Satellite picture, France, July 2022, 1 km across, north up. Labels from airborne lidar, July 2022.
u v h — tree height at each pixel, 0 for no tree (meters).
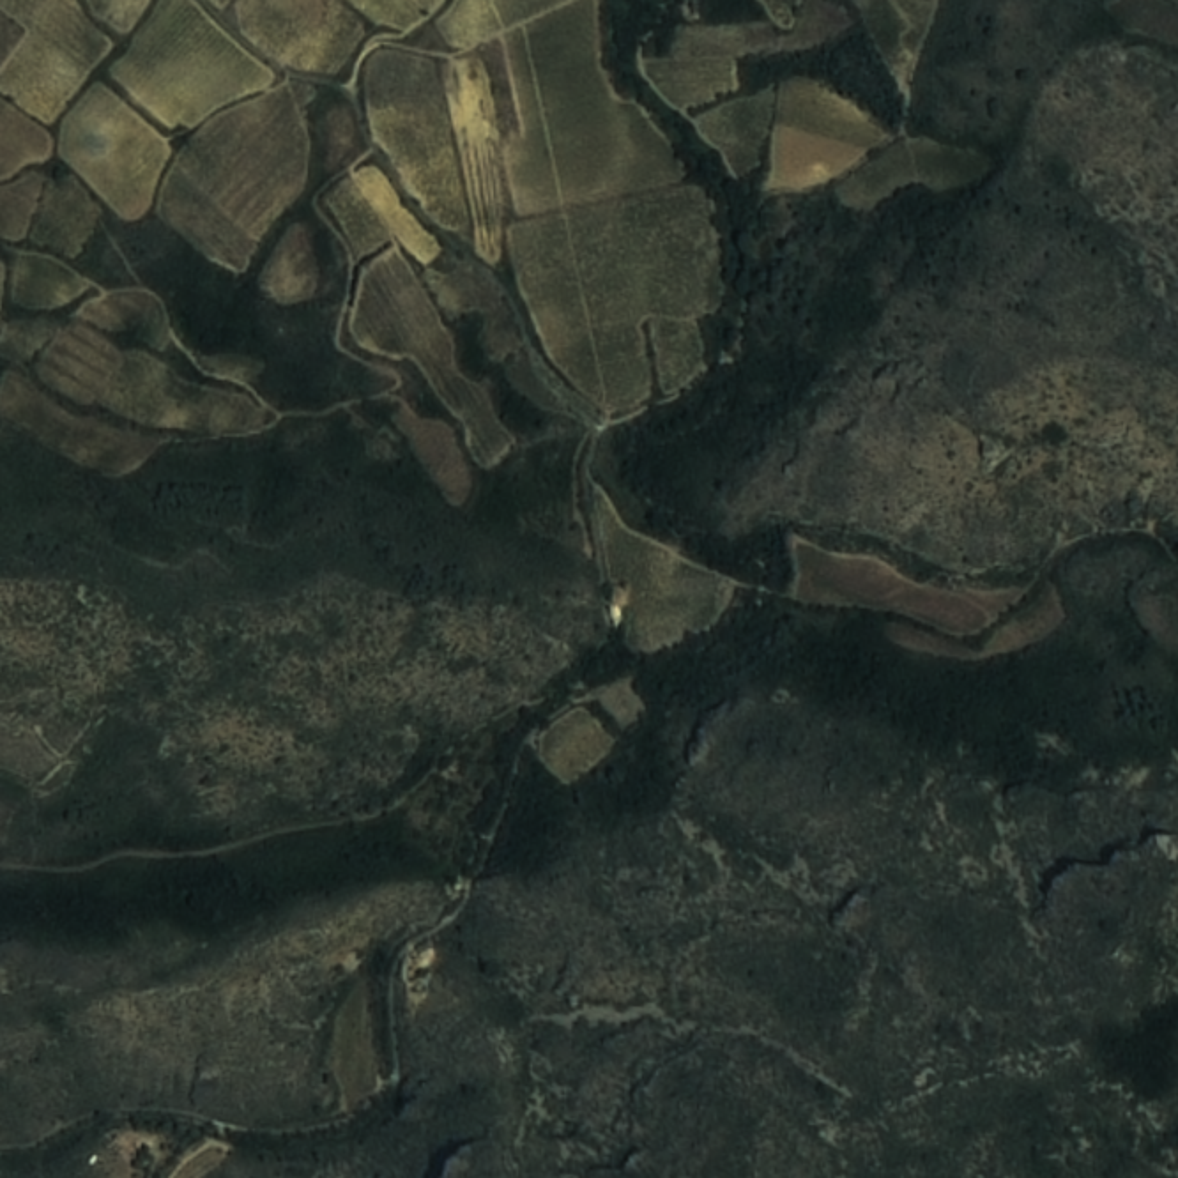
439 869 8
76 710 0
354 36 0
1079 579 0
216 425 0
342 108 0
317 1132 7
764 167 7
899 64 0
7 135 0
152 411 0
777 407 9
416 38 0
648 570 0
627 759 7
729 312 8
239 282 7
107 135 0
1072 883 0
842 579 0
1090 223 10
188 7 0
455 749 7
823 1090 8
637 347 0
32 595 0
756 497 0
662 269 0
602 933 0
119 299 0
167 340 0
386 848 9
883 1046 0
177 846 7
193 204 0
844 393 0
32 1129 0
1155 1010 7
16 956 0
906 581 0
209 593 0
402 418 0
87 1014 0
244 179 0
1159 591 7
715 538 15
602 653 13
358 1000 0
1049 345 0
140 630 0
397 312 0
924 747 6
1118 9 0
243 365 0
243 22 0
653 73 0
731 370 11
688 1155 0
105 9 0
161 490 10
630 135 0
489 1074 0
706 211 0
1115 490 0
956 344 0
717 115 0
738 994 0
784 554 16
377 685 0
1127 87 0
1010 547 0
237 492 12
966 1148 0
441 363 0
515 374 0
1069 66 0
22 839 0
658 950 0
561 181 0
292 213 6
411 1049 0
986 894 6
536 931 0
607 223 0
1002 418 0
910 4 0
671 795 8
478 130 0
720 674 6
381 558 9
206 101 0
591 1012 0
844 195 0
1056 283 0
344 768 9
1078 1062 0
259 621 0
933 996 0
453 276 0
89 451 0
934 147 0
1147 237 0
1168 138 0
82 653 0
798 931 0
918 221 8
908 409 0
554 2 0
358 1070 0
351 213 0
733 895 0
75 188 0
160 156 0
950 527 0
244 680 0
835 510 0
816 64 5
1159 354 0
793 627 10
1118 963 0
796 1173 0
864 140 0
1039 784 6
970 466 0
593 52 0
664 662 7
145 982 0
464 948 10
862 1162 0
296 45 0
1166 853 0
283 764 11
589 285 0
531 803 7
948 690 6
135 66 0
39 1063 12
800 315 13
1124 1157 6
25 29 0
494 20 0
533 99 0
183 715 0
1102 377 0
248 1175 0
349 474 10
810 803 0
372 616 0
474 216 0
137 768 0
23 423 0
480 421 0
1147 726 17
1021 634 0
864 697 8
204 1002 0
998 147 6
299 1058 0
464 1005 0
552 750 0
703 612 0
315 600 0
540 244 0
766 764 0
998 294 0
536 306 0
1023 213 12
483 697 11
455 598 6
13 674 0
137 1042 0
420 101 0
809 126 0
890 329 0
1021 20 0
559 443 7
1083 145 0
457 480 0
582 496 11
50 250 8
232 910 9
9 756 0
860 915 0
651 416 7
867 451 0
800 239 13
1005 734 7
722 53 0
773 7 0
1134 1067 8
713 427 7
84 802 8
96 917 8
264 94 0
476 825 13
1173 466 0
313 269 0
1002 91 0
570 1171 7
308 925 0
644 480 11
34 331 0
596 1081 0
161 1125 11
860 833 0
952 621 0
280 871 7
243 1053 0
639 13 5
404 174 0
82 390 0
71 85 0
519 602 8
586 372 0
